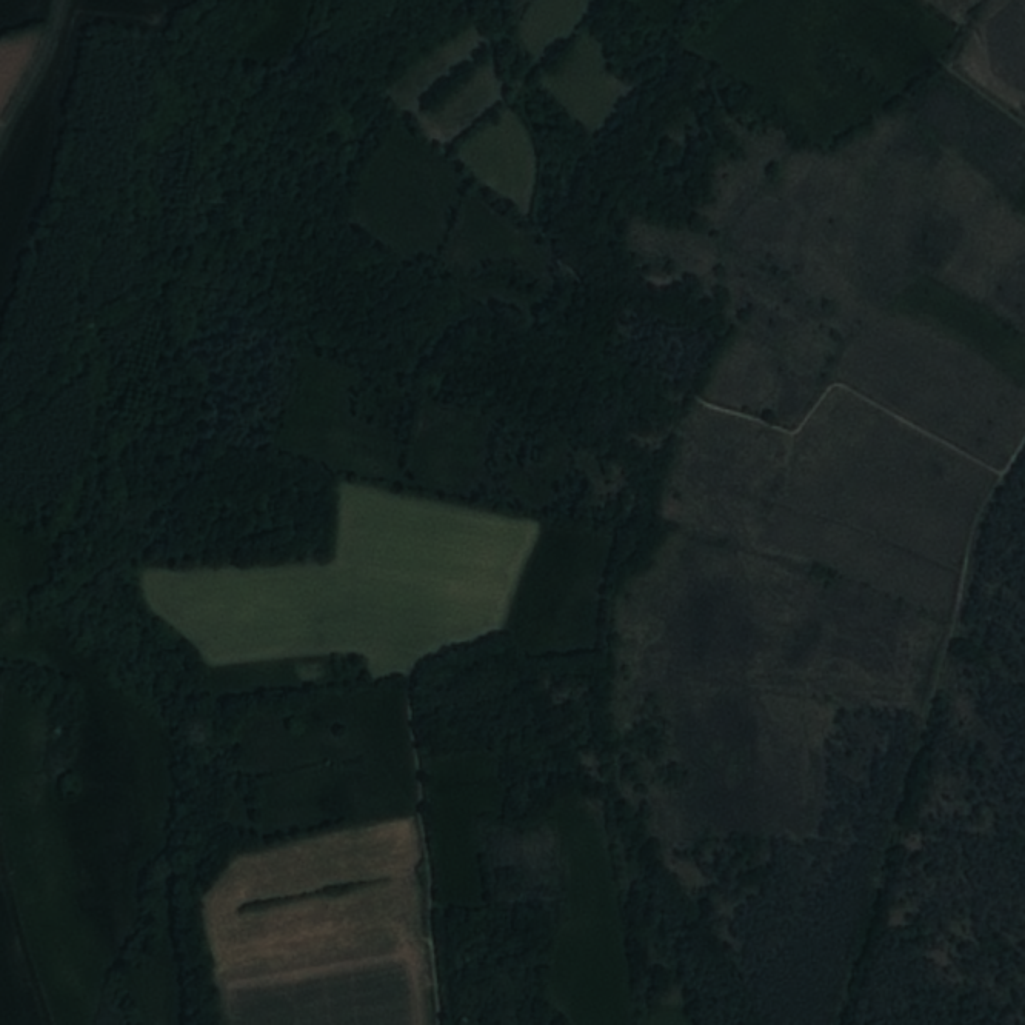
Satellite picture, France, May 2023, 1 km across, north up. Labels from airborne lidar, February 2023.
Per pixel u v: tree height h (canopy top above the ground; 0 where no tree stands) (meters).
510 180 0
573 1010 0
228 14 16
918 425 0
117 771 0
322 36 8
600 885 0
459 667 16
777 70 0
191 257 19
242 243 14
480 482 0
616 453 13
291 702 18
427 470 0
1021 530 15
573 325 15
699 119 16
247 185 18
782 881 18
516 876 10
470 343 15
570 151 16
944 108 0
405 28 14
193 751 20
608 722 9
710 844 6
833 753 15
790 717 0
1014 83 0
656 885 17
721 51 0
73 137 14
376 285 13
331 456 0
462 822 0
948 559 0
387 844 0
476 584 0
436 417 0
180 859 23
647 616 0
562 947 0
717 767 0
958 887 11
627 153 21
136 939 7
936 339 0
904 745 16
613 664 10
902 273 0
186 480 15
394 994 0
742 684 0
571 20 0
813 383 0
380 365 19
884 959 20
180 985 13
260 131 7
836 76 0
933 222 0
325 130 9
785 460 0
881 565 0
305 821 0
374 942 0
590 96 0
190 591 0
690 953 18
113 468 17
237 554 19
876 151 0
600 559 0
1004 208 0
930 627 0
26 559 0
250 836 12
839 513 0
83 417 18
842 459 0
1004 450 0
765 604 0
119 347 15
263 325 17
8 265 0
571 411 18
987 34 0
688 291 11
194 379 19
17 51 0
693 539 0
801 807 0
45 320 18
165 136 10
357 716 0
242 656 0
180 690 24
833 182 0
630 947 12
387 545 0
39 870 0
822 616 0
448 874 0
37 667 8
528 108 7
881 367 0
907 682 0
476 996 7
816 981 18
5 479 19
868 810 16
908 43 0
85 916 0
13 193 0
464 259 0
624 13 16
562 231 20
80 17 0
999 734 14
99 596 12
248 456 21
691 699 0
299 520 17
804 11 0
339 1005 0
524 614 0
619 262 18
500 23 18
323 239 16
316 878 0
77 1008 0
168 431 17
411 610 0
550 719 18
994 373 0
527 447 15
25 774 0
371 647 0
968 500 0
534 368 14
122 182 17
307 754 0
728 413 0
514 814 8
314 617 0
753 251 0
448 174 0
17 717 0
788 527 0
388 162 0
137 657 15
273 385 34
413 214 0
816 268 0
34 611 9
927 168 0
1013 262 0
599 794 10
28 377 20
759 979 18
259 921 0
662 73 11
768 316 0
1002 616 16
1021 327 0
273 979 0
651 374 15
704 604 0
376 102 16
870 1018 19
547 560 0
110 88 18
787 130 11
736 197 0
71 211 19
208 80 17
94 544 14
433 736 10
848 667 0
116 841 0
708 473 0
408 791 0
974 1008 14
